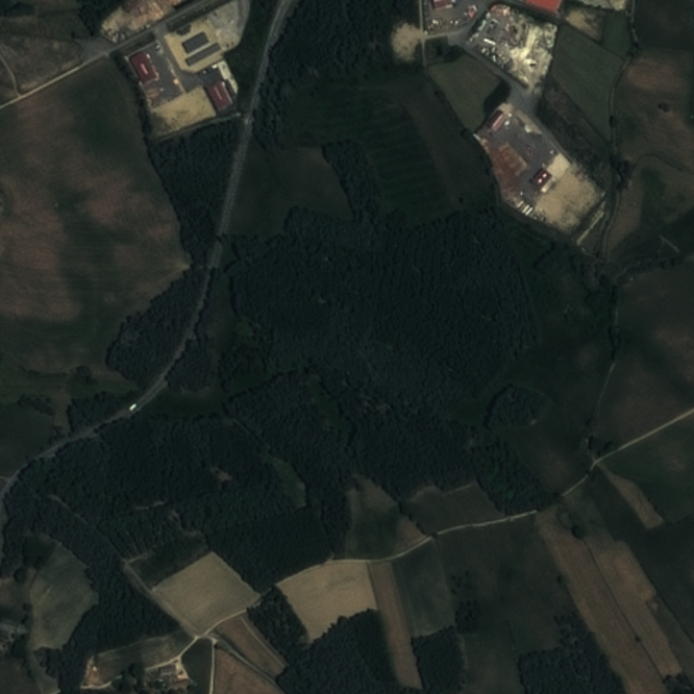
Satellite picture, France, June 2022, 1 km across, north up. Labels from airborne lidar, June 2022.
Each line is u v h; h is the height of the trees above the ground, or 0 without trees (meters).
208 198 11
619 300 16
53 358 0
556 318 0
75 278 0
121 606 15
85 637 18
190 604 0
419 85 0
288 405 24
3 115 0
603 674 16
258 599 0
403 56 0
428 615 0
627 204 0
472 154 0
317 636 0
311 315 20
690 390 0
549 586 0
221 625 0
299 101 0
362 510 0
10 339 0
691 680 15
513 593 0
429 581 0
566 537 0
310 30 21
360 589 0
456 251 19
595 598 0
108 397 22
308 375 16
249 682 0
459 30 0
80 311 0
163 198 0
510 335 23
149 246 0
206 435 26
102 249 0
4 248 0
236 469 24
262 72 0
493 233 24
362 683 21
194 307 21
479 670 0
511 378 0
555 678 16
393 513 0
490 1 0
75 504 21
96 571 17
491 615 0
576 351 0
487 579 0
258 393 20
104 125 0
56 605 0
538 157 0
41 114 0
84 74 0
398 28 0
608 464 0
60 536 21
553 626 0
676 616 0
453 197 0
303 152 0
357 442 28
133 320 20
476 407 0
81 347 0
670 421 0
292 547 23
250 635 0
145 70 0
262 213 0
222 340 0
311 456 22
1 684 0
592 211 0
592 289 7
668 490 0
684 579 0
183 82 0
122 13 0
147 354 22
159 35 0
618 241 0
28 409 15
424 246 20
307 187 0
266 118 8
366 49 17
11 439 0
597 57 0
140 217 0
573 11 0
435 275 21
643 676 0
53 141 0
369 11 22
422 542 0
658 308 0
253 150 0
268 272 25
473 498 0
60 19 0
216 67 0
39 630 0
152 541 16
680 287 0
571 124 0
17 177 0
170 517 21
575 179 0
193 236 19
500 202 0
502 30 0
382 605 0
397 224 9
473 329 21
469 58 0
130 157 0
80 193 0
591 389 0
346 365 17
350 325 24
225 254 0
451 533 0
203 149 23
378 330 19
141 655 0
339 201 0
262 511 27
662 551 0
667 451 0
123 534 21
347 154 21
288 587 0
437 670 21
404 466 19
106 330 0
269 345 17
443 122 0
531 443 0
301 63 21
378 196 21
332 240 21
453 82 0
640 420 0
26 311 0
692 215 0
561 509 0
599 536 0
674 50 0
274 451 18
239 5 0
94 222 0
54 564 0
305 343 28
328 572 0
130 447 27
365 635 18
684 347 0
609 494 0
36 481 27
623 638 0
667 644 0
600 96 0
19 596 0
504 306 26
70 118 0
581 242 0
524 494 23
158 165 22
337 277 22
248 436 29
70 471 17
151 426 27
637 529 0
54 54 0
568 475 0
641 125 0
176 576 0
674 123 0
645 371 0
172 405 0
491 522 0
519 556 0
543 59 0
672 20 0
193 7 0
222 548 17
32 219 0
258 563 14
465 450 13
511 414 18
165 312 20
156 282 0
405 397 20
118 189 0
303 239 22
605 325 0
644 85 0
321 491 24
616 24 0
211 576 0
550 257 21
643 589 0
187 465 25
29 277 0
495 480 10
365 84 0
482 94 0
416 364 17
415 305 21
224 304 0
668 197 0
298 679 7
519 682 0
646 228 0
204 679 0
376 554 0
